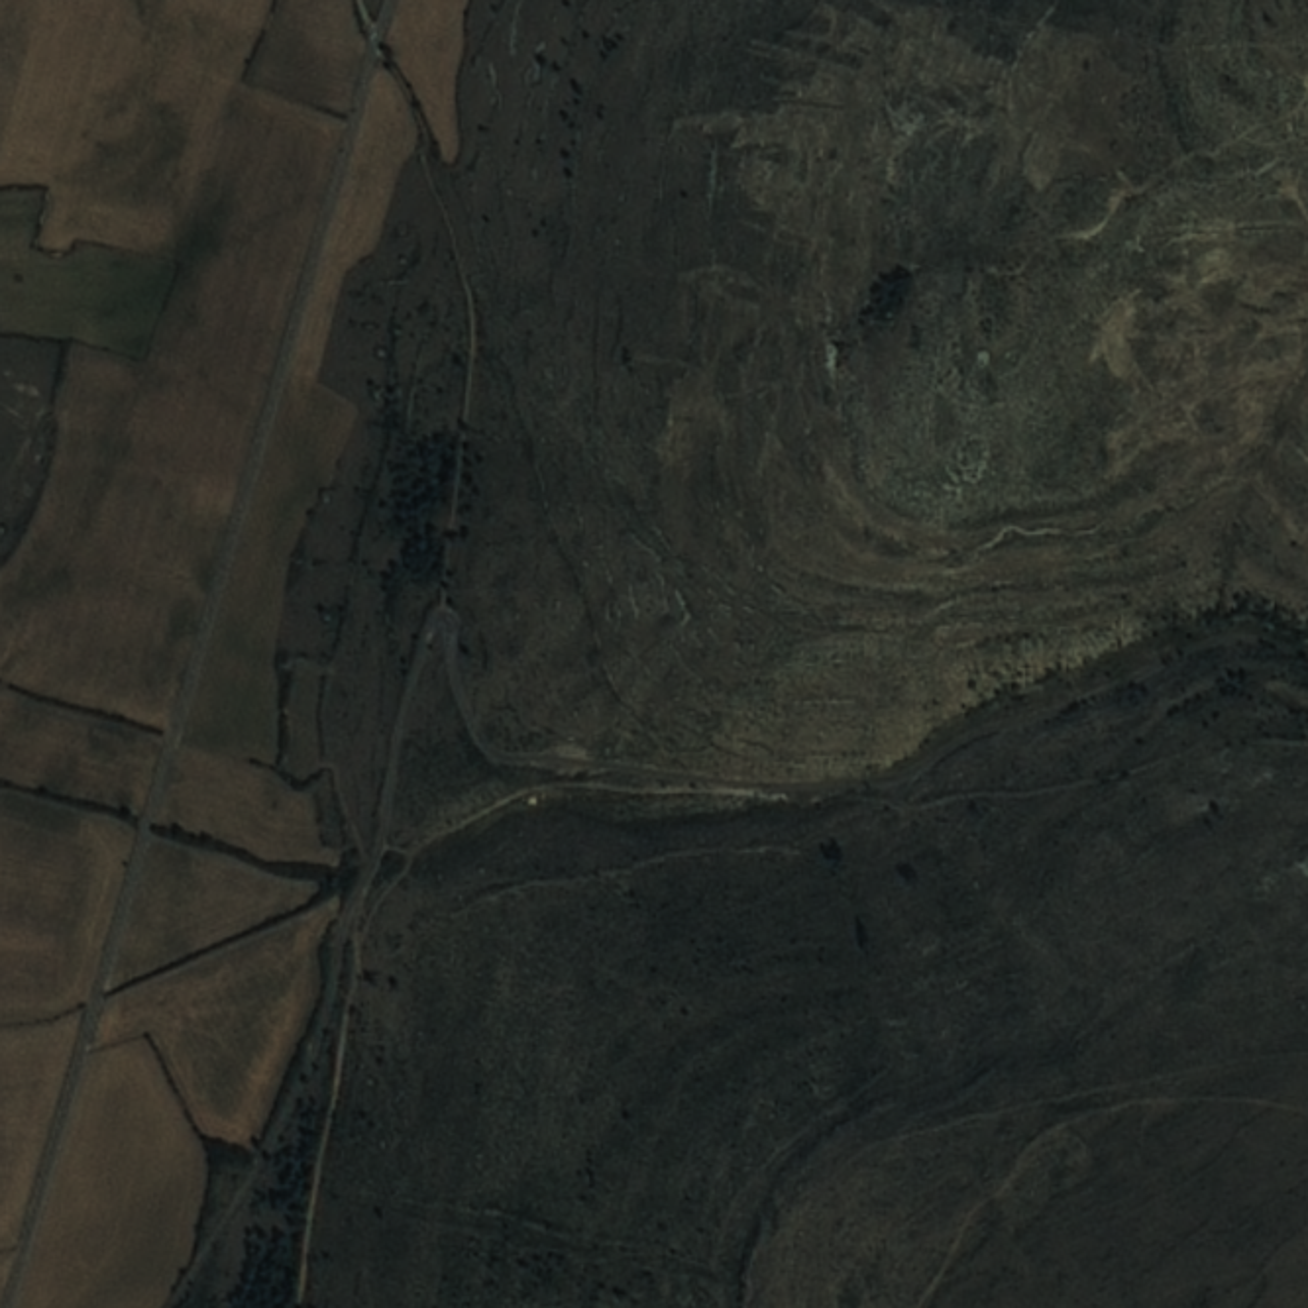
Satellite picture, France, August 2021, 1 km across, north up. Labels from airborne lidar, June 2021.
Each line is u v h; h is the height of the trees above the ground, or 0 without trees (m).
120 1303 0
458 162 0
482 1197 0
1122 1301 0
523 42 0
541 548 0
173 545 0
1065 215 0
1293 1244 0
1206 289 0
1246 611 7
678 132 0
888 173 0
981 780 0
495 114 0
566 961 0
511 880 0
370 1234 0
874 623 0
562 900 0
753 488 0
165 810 0
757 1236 0
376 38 0
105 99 0
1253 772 0
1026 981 0
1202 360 0
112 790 0
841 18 0
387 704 0
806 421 0
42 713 0
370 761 0
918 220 0
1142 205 0
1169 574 0
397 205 0
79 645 0
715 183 0
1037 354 0
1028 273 0
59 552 0
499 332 0
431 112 0
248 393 0
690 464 0
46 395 0
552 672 0
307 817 0
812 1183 0
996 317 0
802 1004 0
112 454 0
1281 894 0
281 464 0
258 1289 10
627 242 0
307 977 0
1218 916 0
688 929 0
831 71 0
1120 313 0
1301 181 0
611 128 0
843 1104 0
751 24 0
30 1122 0
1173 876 0
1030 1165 0
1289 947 0
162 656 0
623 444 0
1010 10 0
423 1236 0
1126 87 0
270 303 0
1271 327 0
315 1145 9
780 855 0
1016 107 0
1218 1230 0
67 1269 0
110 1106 0
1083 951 0
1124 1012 0
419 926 0
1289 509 0
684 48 0
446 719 0
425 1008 0
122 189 0
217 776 0
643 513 0
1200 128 0
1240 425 0
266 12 0
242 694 0
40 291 0
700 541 0
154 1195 0
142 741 0
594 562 0
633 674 0
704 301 0
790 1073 0
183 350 0
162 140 0
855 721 0
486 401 0
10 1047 0
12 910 0
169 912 0
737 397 0
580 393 0
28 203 0
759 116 0
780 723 0
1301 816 0
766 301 0
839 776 0
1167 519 0
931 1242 0
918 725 0
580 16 0
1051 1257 0
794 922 0
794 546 0
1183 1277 0
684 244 0
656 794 0
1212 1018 0
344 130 0
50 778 0
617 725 0
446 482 10
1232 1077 0
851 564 0
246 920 0
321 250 0
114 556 0
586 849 0
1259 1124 0
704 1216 0
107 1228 0
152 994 0
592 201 0
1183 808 0
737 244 0
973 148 0
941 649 0
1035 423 0
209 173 0
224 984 0
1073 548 0
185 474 0
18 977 0
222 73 0
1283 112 0
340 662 0
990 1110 0
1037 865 0
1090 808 0
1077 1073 0
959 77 0
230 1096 0
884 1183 0
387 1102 0
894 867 0
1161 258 0
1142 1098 0
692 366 0
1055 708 0
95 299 0
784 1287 0
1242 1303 0
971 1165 0
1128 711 0
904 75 0
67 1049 0
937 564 0
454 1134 0
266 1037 0
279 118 0
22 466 0
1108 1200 0
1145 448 0
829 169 0
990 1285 0
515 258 0
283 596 0
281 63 0
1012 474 0
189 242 0
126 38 0
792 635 0
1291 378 0
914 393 0
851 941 0
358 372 0
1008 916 0
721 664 0
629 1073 0
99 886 0
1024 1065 0
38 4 0
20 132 0
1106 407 0
